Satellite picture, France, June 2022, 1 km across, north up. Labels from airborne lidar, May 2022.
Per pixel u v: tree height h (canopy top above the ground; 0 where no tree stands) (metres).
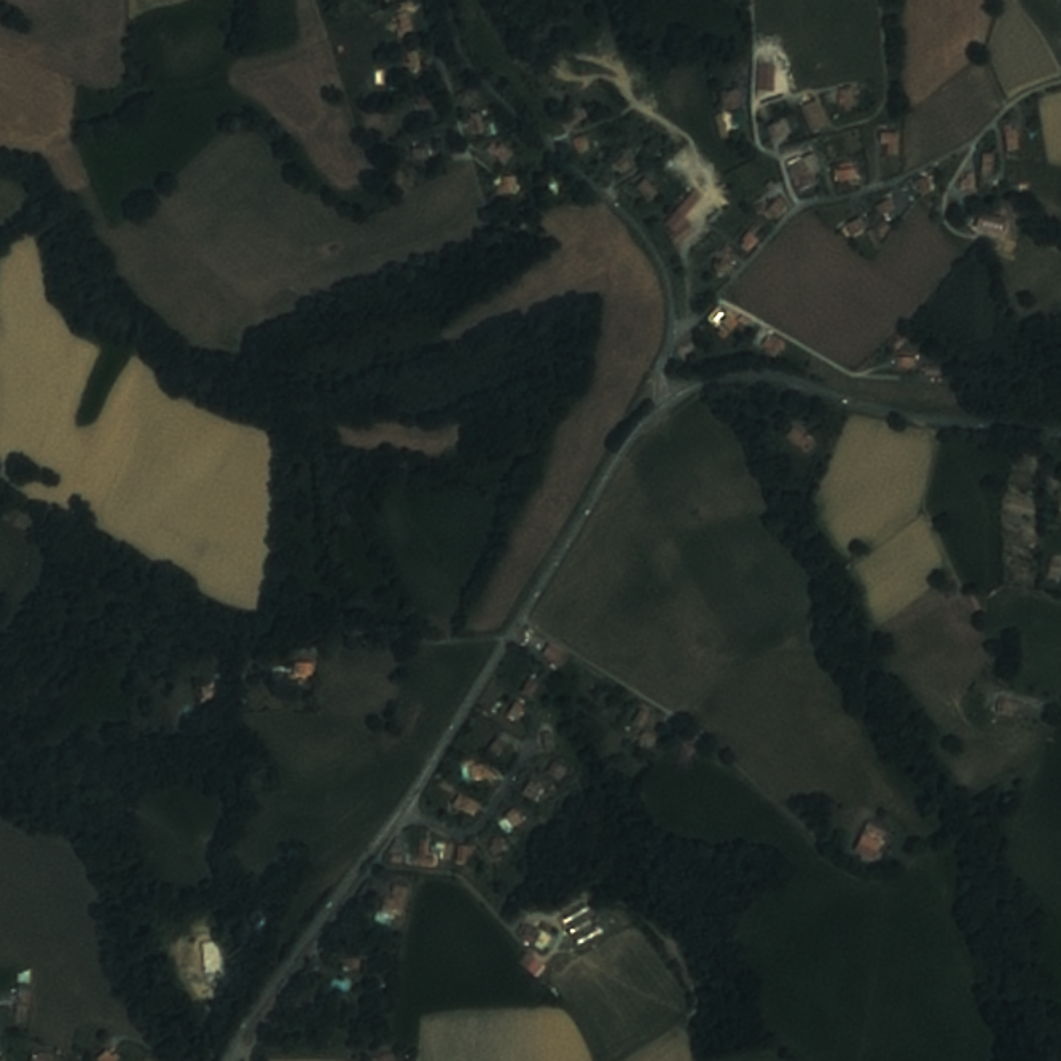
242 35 25
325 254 0
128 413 0
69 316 9
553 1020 0
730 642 0
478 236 18
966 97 0
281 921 16
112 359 0
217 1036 19
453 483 13
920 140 0
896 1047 0
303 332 17
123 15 0
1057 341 17
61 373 0
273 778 24
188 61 0
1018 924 19
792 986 0
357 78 0
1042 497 13
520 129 18
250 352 23
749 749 0
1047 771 0
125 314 26
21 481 19
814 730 0
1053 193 0
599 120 18
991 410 24
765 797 0
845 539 0
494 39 0
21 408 0
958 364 21
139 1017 20
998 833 10
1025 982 26
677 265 10
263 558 0
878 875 20
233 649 21
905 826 0
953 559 0
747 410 26
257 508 0
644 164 11
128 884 12
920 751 22
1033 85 0
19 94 0
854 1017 0
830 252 0
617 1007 0
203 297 0
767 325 0
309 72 0
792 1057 17
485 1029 0
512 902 10
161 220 0
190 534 0
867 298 0
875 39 0
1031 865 0
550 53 15
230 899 22
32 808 25
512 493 9
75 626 21
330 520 13
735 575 0
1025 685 0
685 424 0
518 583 0
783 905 0
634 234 0
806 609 0
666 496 0
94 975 0
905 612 0
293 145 21
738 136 12
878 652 14
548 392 20
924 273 0
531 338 19
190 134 0
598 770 20
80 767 20
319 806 0
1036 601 0
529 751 0
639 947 0
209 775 18
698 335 12
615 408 0
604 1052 0
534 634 0
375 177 18
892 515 0
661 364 0
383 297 15
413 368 20
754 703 0
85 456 0
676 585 0
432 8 18
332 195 18
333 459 20
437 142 12
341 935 22
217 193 0
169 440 0
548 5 24
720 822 0
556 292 0
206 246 0
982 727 0
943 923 0
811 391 0
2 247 17
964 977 0
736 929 20
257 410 24
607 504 0
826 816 15
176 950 0
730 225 0
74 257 20
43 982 0
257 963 20
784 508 25
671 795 0
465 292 22
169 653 20
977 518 0
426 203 0
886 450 0
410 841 0
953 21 0
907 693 6
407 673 9
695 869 28
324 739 0
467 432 15
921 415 0
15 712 19
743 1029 21
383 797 0
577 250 0
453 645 0
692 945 22
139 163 0
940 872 0
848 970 0
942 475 0
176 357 28
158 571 20
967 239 0
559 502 0
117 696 0
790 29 0
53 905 0
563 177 5
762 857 22
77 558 22
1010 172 0
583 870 25
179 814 0
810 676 0
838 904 0
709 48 18
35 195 22
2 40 0
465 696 0
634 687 0
